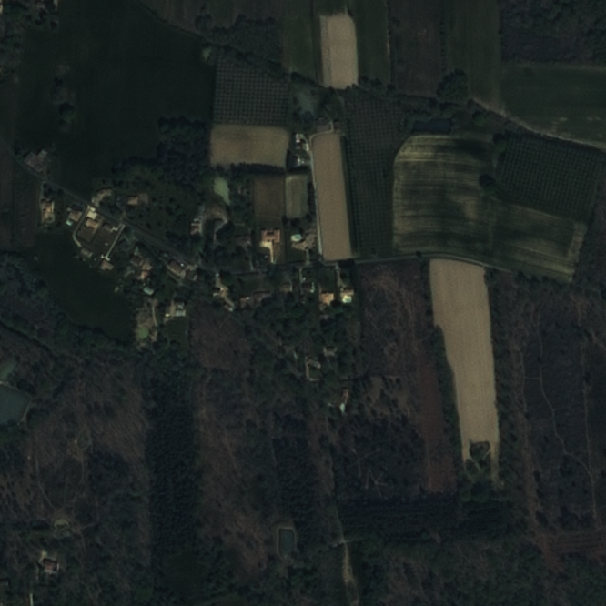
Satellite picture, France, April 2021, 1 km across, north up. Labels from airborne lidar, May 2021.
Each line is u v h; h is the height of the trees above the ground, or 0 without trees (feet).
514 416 58
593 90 0
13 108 0
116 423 52
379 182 61
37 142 0
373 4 0
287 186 0
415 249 0
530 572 58
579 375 23
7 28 32
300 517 75
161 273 59
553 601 43
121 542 39
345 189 0
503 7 35
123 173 51
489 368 0
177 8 0
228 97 79
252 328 48
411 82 0
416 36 0
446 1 0
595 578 66
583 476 31
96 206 0
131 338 29
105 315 0
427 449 52
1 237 0
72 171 0
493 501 39
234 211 51
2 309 53
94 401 42
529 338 26
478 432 0
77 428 49
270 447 44
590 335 40
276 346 55
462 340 0
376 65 0
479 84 0
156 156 0
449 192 0
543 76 0
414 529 59
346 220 0
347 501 49
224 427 31
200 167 59
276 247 0
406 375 39
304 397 55
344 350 56
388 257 0
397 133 57
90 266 0
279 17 0
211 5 0
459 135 61
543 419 19
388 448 66
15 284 63
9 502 26
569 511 23
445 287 0
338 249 0
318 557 38
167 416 59
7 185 0
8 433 67
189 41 0
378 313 34
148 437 56
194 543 52
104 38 0
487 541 35
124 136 0
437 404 0
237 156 0
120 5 0
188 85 0
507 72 0
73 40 0
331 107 67
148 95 0
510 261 0
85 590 36
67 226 0
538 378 0
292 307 55
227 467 0
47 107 0
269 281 38
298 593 25
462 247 0
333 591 19
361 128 65
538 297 46
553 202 68
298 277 31
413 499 28
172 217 63
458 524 64
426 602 57
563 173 82
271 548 45
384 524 59
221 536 0
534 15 23
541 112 0
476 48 0
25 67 0
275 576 62
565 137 0
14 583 51
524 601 51
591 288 33
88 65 0
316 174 0
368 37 0
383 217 48
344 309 43
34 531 41
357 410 35
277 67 61
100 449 37
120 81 0
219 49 44
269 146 0
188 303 40
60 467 48
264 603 66
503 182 58
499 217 0
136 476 63
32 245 0
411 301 0
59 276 0
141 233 0
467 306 0
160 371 52
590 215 64
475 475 61
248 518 60
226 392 18
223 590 43
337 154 0
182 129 69
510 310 0
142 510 65
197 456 63
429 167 0
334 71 0
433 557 58
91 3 0
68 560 65
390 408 47
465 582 52
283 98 70
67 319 41
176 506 54
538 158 79
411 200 0
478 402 0
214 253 58
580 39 30
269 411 29
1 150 0
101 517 54
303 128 48
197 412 57
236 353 60
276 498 56
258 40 65
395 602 27
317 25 0
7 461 69
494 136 0
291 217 0
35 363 29
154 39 0
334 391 45
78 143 0
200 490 60
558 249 0
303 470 66
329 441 56
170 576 0
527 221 0
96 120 0
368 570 41
